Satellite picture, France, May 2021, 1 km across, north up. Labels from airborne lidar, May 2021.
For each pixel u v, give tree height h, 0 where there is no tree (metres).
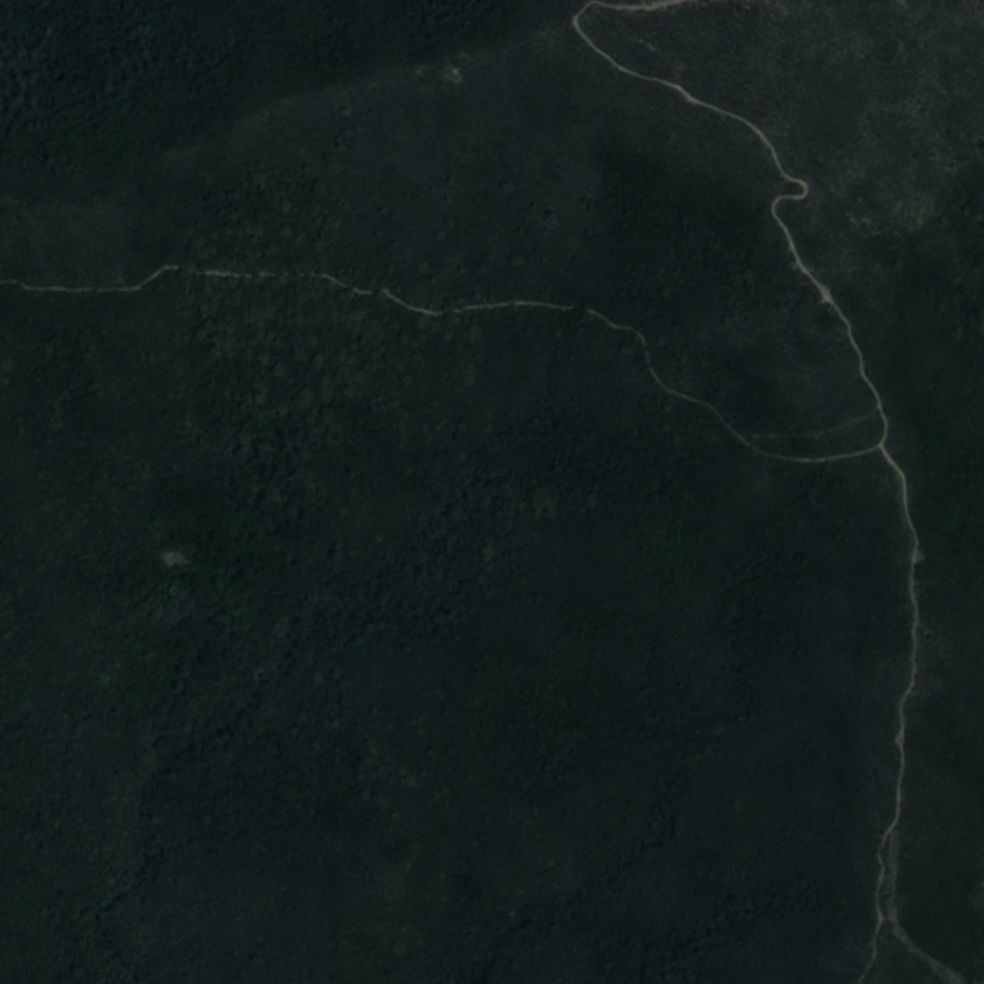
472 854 9
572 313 8
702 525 6
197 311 6
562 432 10
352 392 11
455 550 9
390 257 7
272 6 9
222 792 8
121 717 7
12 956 6
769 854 6
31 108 21
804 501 9
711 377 7
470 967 15
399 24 6
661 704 11
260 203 6
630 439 7
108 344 5
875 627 5
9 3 13
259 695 22
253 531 14
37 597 8
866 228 0
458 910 6
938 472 7
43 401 11
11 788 8
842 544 5
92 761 5
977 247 9
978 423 6
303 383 8
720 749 8
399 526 6
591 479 8
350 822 8
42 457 8
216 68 14
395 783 7
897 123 0
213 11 9
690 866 7
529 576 6
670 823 11
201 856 7
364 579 18
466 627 10
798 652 8
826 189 0
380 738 9
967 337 7
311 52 8
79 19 17
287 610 17
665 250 7
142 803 15
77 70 19
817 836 7
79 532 10
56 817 15
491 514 11
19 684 15
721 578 7
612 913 7
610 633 7
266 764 11
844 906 8
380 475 7
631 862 13
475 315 8
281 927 7
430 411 7
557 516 9
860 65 0
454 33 7
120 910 7
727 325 7
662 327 7
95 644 12
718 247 10
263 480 13
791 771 8
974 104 0
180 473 13
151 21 12
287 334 6
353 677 8
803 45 0
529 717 7
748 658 9
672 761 8
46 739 12
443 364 6
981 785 6
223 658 10
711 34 0
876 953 0
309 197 6
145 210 6
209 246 8
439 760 6
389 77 0
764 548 9
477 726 6
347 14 7
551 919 11
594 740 10
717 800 6
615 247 6
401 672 6
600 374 7
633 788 7
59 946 10
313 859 7
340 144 9
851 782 5
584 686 8
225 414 10
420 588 9
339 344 7
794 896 11
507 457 7
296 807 8
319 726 7
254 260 6
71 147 11
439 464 11
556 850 6
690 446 8
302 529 15
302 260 11
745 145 0
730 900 11
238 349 10
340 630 16
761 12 0
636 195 7
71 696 7
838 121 0
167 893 8
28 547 8
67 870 6
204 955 8
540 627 6
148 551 11
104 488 10
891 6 0
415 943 8
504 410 6
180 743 18
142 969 13
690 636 6
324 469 8
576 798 5
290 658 20
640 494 12
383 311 7
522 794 9
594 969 8
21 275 6
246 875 6
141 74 20
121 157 11
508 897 7
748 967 6
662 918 6
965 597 6
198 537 12
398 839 6
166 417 10
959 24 0
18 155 8
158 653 7
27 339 8
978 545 7
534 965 6
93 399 6
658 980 8
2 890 7
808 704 6
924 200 0
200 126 6
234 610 7
